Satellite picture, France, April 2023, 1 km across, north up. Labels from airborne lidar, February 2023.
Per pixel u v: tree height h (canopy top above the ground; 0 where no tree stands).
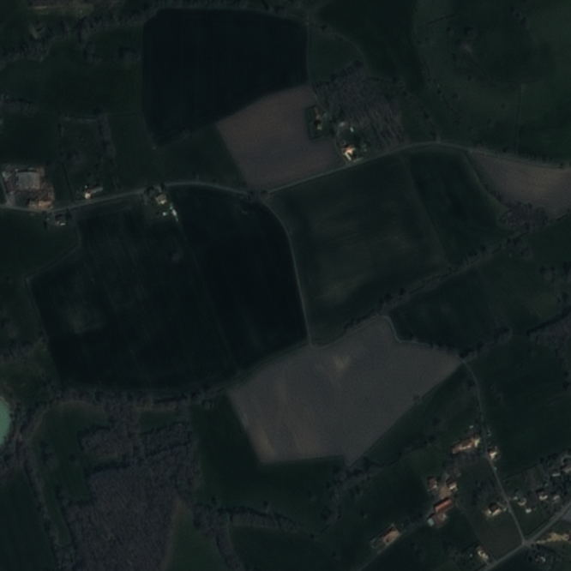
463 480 0
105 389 0
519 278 0
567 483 9
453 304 0
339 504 13
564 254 0
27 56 18
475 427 0
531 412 0
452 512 0
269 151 0
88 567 28
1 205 0
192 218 0
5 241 0
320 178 0
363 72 23
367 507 0
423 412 0
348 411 0
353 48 0
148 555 25
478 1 0
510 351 0
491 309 0
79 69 0
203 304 0
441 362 0
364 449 0
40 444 0
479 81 0
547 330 13
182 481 19
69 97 0
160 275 0
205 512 20
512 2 0
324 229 0
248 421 0
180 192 0
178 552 0
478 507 17
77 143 0
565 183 0
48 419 0
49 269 0
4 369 0
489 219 0
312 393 0
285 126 0
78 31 7
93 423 0
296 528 14
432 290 0
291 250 0
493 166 0
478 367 0
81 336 0
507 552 0
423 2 0
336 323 0
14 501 0
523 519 0
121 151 0
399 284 0
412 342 8
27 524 0
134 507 26
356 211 0
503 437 0
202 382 0
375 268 0
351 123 26
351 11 0
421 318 0
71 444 0
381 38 0
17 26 0
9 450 9
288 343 0
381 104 27
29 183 0
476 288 0
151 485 23
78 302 0
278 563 0
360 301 0
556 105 0
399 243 0
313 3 0
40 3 13
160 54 0
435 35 0
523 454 0
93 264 0
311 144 0
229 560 17
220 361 0
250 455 0
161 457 20
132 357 0
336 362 0
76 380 0
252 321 0
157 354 0
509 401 0
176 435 8
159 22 0
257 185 0
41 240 0
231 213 0
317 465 0
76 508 24
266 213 0
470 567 0
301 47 0
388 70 0
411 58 0
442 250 0
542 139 0
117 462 0
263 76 0
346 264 0
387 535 0
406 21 0
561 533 0
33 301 0
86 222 0
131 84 0
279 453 0
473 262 15
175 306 0
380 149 22
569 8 0
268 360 0
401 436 0
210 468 0
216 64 0
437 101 0
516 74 0
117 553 22
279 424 0
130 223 0
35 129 0
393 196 0
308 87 0
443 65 0
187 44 0
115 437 22
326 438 0
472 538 0
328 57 0
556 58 0
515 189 0
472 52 0
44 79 0
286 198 0
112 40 0
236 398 0
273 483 0
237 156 0
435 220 0
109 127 14
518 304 0
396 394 0
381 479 0
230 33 0
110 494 26
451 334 0
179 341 0
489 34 0
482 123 0
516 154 15
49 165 11
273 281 0
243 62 0
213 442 0
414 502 0
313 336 0
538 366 0
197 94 0
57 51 0
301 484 0
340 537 0
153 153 0
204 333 0
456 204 0
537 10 0
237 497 0
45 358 0
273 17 0
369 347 0
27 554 0
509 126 0
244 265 0
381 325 0
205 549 0
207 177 0
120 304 0
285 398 0
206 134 0
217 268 0
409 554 0
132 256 0
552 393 0
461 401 0
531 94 0
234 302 0
